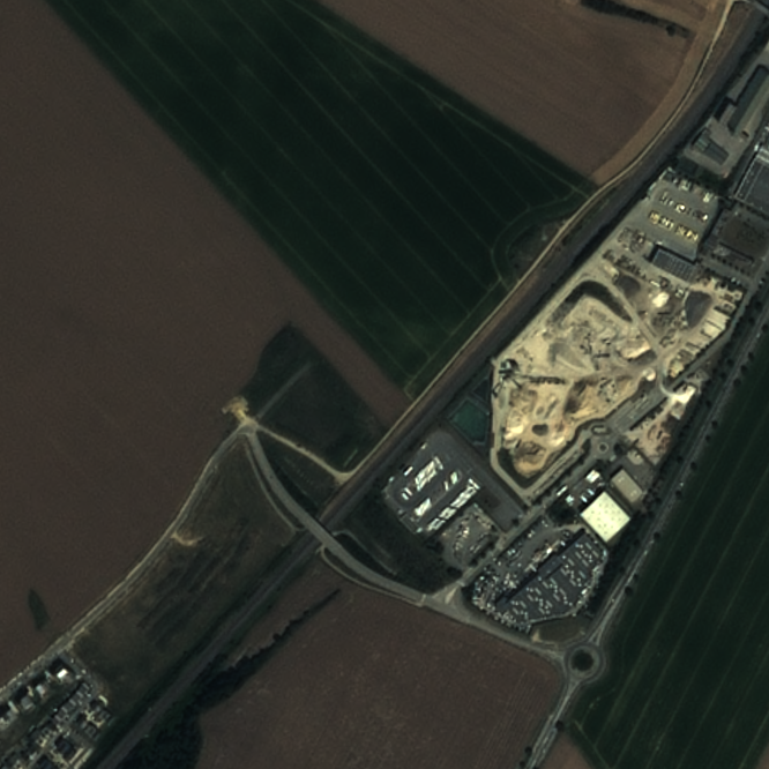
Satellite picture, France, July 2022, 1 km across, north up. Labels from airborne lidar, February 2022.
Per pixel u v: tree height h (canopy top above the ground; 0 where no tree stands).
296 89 0
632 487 0
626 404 0
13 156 0
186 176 0
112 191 0
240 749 0
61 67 0
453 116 0
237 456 0
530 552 0
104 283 0
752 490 0
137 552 0
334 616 0
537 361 0
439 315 0
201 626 0
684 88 0
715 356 0
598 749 0
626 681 0
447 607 0
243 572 0
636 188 0
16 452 0
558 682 0
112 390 0
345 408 0
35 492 0
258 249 0
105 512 0
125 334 0
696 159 0
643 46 0
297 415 0
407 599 0
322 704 0
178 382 0
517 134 0
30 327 0
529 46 0
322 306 0
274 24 0
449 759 0
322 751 0
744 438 0
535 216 0
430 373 0
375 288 0
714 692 0
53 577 0
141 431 0
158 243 0
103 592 0
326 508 0
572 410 0
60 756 0
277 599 0
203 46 0
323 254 0
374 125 0
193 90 0
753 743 0
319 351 0
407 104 0
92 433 0
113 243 0
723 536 0
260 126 0
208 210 0
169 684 0
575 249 0
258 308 0
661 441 0
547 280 0
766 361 0
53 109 0
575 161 0
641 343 0
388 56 0
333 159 0
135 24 0
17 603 0
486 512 0
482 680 0
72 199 0
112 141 0
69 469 0
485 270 0
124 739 0
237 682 6
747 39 0
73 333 0
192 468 0
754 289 0
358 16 0
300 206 0
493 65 0
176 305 0
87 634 0
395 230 0
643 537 0
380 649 0
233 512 0
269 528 0
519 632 6
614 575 7
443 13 0
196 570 0
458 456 0
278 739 0
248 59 0
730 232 0
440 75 0
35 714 0
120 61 0
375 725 0
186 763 20
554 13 0
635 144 0
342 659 0
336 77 0
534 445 0
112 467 0
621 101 0
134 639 0
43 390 0
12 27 0
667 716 0
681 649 0
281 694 0
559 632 0
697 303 0
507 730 0
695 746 0
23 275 0
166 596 0
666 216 0
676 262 0
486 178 0
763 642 0
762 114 0
